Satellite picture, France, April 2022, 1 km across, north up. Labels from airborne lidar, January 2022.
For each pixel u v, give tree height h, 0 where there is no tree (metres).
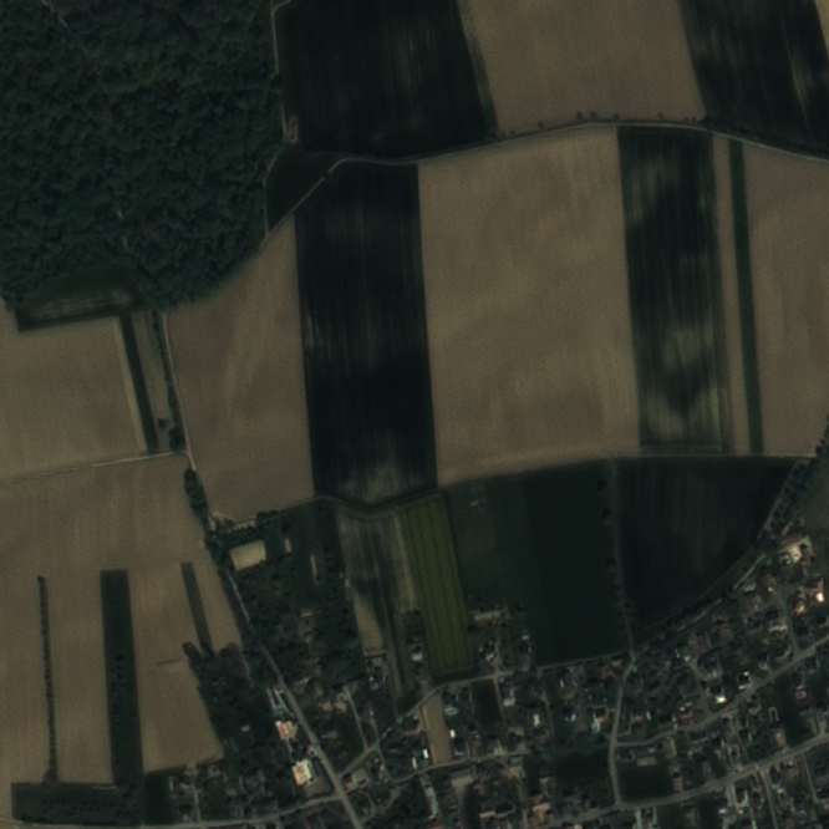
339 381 0
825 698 0
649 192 0
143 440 0
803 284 0
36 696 0
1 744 0
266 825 0
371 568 0
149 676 0
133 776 0
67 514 0
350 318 0
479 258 0
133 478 0
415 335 0
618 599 13
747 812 0
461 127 0
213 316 0
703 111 0
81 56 29
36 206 28
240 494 0
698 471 0
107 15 23
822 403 0
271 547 0
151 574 0
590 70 0
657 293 0
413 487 0
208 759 0
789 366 0
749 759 0
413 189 0
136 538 0
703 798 0
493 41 0
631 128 0
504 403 0
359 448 0
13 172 15
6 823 0
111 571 0
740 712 0
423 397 0
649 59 0
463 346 0
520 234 0
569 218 0
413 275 0
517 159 0
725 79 0
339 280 0
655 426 0
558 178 0
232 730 0
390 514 0
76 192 30
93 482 0
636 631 0
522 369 0
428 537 0
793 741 0
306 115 0
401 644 0
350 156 0
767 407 0
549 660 0
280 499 0
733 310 0
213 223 24
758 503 0
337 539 0
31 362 0
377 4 0
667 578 0
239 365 0
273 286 0
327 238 0
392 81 0
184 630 0
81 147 26
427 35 0
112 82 30
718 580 0
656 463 0
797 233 0
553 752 18
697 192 0
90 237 6
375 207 0
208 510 16
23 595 0
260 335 0
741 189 0
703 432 0
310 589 0
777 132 0
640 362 0
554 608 0
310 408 0
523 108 0
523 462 0
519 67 0
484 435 0
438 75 0
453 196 0
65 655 0
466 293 0
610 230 0
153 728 0
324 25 0
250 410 0
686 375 0
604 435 0
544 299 0
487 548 0
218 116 22
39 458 0
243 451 0
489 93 0
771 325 0
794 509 11
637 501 0
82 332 0
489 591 0
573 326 0
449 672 0
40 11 26
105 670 0
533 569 0
